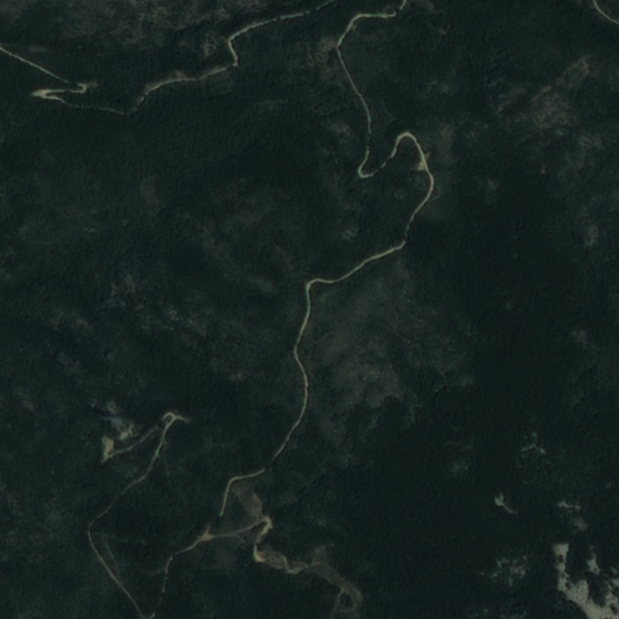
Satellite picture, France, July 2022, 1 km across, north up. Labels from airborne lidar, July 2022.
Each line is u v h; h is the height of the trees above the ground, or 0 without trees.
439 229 6
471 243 8
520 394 11
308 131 5
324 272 7
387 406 5
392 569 7
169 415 0
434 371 7
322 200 6
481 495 10
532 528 11
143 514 7
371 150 6
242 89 7
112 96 12
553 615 9
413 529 7
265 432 10
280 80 7
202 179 7
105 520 6
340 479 8
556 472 7
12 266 10
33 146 5
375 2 6
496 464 10
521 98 6
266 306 6
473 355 10
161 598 6
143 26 8
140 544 6
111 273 6
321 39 6
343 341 0
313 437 6
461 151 8
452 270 10
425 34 8
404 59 12
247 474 8
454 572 9
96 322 6
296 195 5
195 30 8
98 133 11
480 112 11
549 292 10
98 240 10
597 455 8
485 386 10
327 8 11
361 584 6
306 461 7
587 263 7
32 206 7
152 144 10
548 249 10
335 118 9
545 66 6
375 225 9
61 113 8
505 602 8
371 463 6
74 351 7
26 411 6
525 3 9
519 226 8
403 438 11
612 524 8
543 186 8
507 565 6
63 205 6
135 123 15
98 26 7
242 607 7
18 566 6
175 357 6
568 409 8
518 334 12
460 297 6
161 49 9
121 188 6
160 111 12
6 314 11
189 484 5
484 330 10
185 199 8
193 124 8
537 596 8
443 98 6
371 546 9
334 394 6
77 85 9
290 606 6
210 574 5
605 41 10
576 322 8
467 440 9
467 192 11
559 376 9
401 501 8
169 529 6
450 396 10
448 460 8
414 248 9
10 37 10
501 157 6
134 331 8
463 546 10
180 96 9
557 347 9
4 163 6
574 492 5
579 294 7
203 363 8
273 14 11
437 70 9
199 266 8
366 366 0
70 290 8
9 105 7
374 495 8
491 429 8
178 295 6
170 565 7
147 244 9
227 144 7
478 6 5
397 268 0
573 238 9
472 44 7
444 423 6
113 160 6
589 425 10
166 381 6
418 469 11
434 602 9
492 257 7
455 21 14
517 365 6
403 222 8
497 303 8
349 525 10
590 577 11
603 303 12
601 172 6
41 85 8
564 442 7
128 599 9
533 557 6
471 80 9
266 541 7
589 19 9
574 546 10
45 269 8
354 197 7
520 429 8
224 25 9
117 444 6
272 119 7
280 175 9
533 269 8
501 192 9
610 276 6
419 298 8
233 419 6
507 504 7
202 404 6
